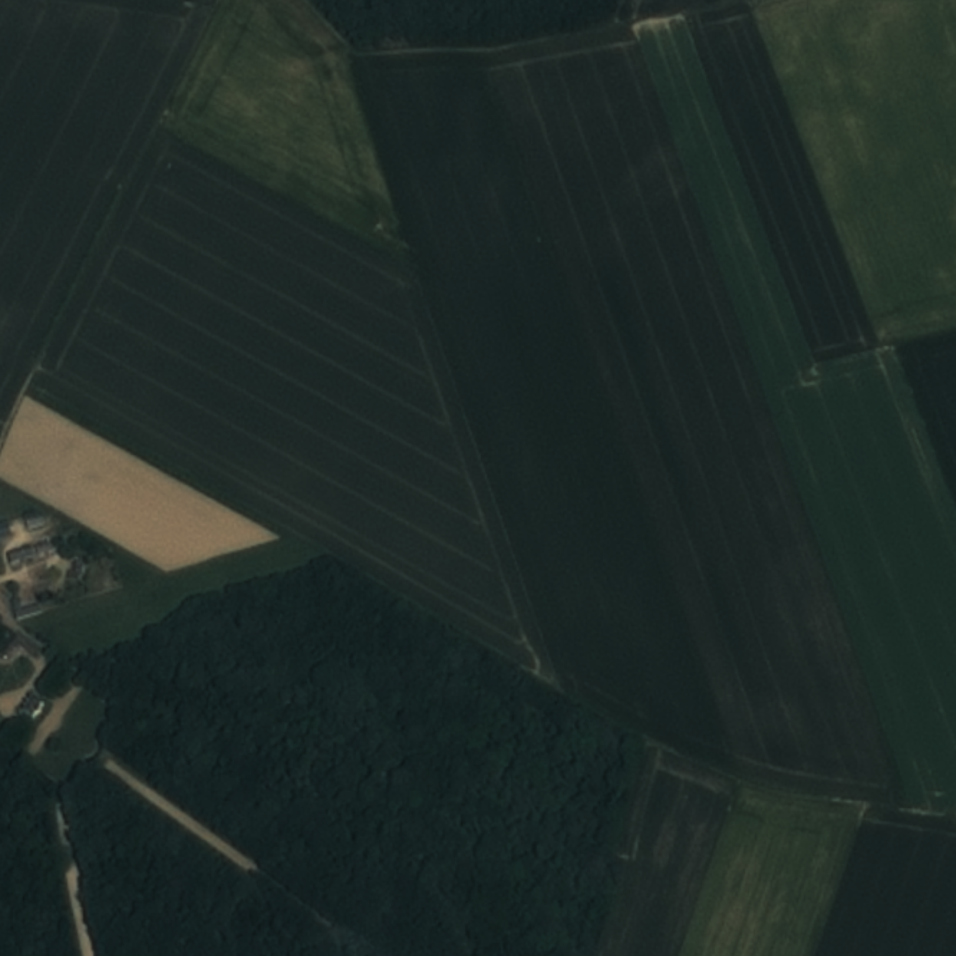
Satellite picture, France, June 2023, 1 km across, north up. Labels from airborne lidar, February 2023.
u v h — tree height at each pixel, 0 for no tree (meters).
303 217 0
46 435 0
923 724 0
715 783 0
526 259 0
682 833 0
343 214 0
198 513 0
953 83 0
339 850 20
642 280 0
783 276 0
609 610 0
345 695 21
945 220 0
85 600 0
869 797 0
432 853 26
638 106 0
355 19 19
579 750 18
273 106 0
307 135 0
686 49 0
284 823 24
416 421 0
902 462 0
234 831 27
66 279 0
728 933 0
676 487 0
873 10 0
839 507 0
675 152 0
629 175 0
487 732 18
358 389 0
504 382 0
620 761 8
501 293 0
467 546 0
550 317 0
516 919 12
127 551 0
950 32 0
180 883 19
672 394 0
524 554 0
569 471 0
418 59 0
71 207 0
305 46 0
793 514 0
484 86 0
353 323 0
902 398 0
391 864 18
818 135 0
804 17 0
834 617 0
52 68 0
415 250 0
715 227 0
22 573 0
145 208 0
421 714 18
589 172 0
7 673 0
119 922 21
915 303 0
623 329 0
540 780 22
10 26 0
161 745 13
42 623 0
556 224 0
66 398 0
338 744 19
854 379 0
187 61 0
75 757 0
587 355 0
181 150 0
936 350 0
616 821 21
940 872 0
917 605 0
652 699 0
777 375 0
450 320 0
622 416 0
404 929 22
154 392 0
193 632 22
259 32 0
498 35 20
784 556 0
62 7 0
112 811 25
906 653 0
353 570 14
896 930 0
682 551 0
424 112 0
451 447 0
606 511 0
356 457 0
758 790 0
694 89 0
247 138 0
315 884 24
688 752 0
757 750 0
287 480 0
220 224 0
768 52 0
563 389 0
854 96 0
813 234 0
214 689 12
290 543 0
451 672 9
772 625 0
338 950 17
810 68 0
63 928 21
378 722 24
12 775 10
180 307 0
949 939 0
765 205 0
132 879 13
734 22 0
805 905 0
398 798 24
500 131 0
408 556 0
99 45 0
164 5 0
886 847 0
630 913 0
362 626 19
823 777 0
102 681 21
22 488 0
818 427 0
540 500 0
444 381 0
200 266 0
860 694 0
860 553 0
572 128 0
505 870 23
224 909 22
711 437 0
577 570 0
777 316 0
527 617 0
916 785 0
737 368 0
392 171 0
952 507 0
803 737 0
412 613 14
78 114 0
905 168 0
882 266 0
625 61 0
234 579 0
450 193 0
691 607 0
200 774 27
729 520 0
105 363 0
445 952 22
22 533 0
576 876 21
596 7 17
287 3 0
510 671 7
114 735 19
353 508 0
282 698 19
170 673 15
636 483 0
